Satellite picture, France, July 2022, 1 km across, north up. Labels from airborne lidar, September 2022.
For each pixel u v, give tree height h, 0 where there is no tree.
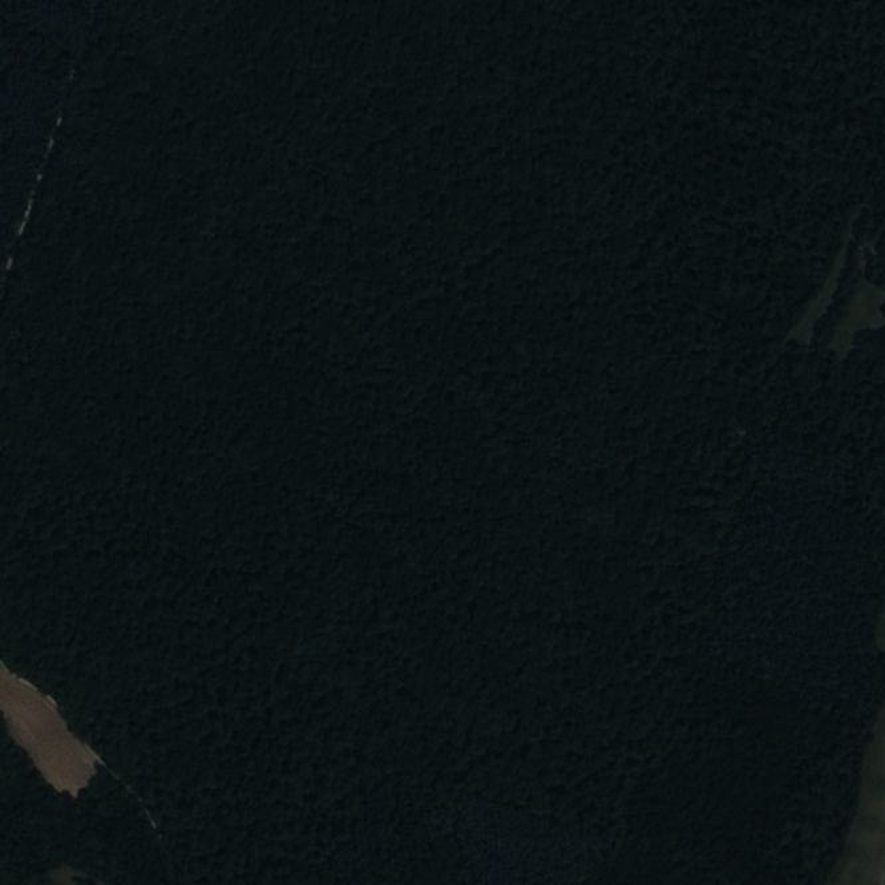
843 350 0
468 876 20
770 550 19
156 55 18
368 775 19
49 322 20
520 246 22
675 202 17
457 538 24
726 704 9
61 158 17
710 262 8
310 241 20
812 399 22
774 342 16
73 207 22
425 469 23
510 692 18
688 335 11
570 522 21
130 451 21
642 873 8
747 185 8
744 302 6
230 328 18
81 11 27
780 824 15
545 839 24
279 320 20
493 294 20
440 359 22
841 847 6
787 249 18
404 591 20
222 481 22
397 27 22
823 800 26
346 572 20
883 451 17
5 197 26
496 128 15
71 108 19
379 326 21
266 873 20
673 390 19
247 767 21
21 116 30
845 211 18
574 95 23
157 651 17
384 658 21
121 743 19
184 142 18
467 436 23
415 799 23
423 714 20
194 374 20
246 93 17
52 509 17
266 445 20
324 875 20
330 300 18
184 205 17
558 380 18
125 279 16
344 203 23
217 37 19
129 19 15
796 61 17
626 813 10
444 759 12
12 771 16
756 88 8
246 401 19
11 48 19
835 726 15
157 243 19
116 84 23
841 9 23
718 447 24
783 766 9
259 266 20
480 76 21
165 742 18
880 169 18
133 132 19
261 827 27
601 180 20
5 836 19
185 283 19
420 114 19
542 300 23
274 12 20
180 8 18
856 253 12
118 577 12
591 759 21
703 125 17
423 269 22
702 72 6
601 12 19
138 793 14
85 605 20
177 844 22
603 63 23
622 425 19
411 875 27
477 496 25
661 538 22
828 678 18
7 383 21
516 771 18
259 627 22
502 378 22
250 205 17
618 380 24
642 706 22
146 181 16
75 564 17
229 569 25
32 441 16
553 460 14
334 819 8
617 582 21
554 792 15
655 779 14
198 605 25
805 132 20
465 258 18
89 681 19
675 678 21
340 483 22
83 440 17
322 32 21
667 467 23
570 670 18
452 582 19
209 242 18
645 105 19
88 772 0
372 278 25
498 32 17
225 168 17
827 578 21
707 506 23
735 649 11
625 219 18
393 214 21
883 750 0
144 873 15
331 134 19
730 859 12
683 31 19
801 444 25
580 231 17
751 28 18
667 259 18
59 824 15
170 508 18
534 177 20
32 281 21
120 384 20
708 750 11
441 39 20
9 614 19
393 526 23
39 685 14
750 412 20
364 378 15
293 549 22
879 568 16
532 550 19
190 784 22
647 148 15
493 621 20
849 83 22
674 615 22
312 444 20
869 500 21
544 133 19
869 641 19
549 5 19
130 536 21
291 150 16
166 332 19
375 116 21
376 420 23
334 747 21
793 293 15
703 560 26
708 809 11
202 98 19
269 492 19
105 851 10
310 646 21
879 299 0
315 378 23
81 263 17
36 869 19
